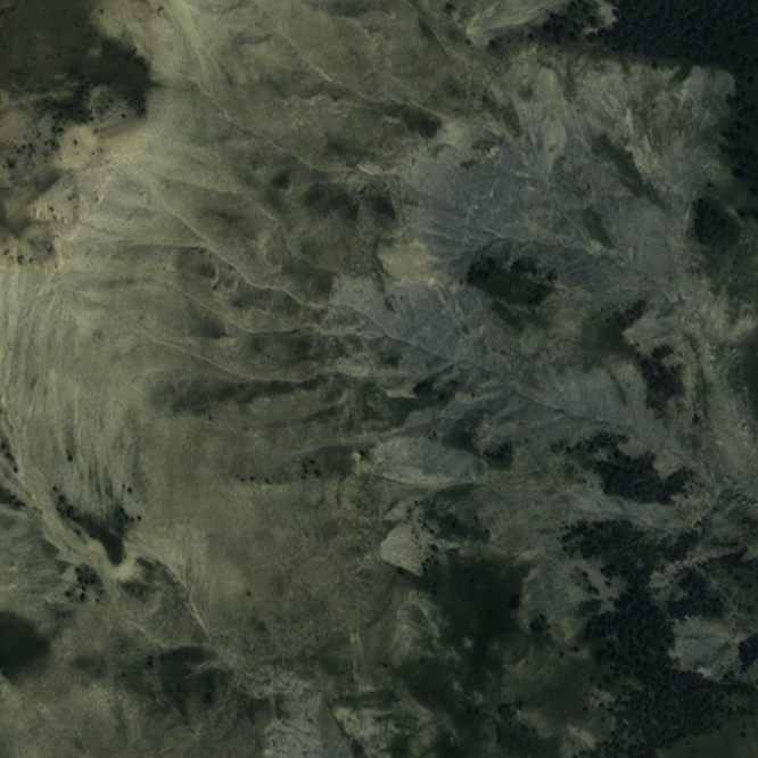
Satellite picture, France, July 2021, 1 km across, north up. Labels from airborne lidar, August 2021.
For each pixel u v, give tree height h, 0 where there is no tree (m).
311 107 0
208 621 0
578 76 0
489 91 0
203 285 0
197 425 0
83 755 0
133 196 0
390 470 0
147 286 0
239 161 0
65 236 0
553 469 0
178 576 0
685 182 0
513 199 0
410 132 0
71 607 0
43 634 0
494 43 9
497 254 0
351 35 0
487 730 0
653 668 16
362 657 0
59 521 0
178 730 0
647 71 0
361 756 0
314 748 0
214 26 0
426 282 0
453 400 0
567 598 0
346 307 0
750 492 0
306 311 0
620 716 8
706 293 0
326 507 0
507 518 0
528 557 0
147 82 0
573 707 0
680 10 22
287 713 0
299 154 0
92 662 0
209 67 0
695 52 11
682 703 14
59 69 0
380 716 0
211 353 0
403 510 0
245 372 0
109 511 0
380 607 0
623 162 0
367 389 0
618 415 0
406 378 0
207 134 0
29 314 0
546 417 0
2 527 0
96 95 0
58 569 0
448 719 0
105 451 0
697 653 0
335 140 0
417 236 0
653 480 8
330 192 0
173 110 0
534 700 0
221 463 0
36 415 0
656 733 7
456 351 0
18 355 0
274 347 0
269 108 0
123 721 0
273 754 0
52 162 0
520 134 0
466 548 0
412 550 0
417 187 0
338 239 0
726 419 0
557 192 0
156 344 0
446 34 0
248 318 0
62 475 0
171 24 0
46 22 0
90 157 0
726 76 0
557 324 0
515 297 0
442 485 0
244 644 0
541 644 0
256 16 0
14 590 0
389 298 0
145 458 0
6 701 0
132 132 0
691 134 0
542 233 0
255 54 0
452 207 0
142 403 0
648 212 0
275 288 0
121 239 0
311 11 0
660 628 11
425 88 0
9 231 0
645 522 0
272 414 0
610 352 0
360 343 0
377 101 0
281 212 0
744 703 0
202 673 0
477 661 0
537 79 0
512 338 0
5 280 0
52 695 0
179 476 0
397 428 0
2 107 0
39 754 0
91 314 0
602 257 0
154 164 0
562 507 0
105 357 0
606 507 0
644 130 0
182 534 0
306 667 0
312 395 0
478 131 0
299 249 0
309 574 0
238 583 0
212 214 0
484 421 0
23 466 0
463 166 0
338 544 0
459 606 0
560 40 12
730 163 0
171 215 0
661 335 0
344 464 0
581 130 0
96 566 0
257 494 0
